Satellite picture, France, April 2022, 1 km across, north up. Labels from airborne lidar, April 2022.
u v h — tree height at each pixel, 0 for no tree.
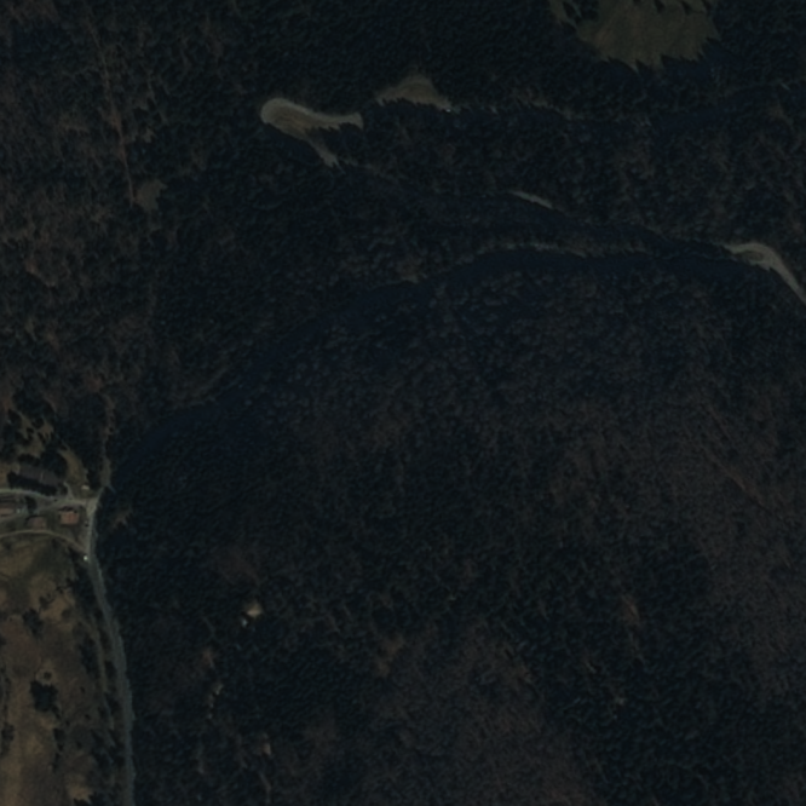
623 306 33
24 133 27
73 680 0
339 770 13
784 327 17
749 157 29
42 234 17
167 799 14
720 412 22
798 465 21
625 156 29
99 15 10
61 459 12
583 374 27
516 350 19
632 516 25
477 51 22
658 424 25
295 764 17
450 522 20
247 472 20
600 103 32
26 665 0
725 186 35
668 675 17
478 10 23
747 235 16
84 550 0
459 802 20
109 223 27
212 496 23
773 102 24
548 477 23
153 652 23
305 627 24
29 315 38
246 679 15
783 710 20
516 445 17
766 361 23
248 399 30
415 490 25
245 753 10
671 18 0
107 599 0
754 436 32
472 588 16
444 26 28
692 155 23
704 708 21
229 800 26
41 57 25
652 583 23
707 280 37
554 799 25
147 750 15
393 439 20
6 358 13
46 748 0
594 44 0
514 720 26
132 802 0
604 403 19
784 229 22
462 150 42
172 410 14
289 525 28
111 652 16
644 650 21
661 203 14
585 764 29
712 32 0
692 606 21
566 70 28
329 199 21
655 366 33
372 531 18
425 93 0
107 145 29
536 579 19
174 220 39
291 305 19
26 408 18
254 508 15
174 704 16
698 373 26
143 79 29
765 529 31
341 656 15
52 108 26
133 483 29
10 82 27
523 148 21
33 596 0
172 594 21
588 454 15
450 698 24
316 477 23
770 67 37
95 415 27
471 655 22
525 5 24
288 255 24
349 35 27
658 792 14
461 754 18
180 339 28
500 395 18
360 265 30
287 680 24
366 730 18
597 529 14
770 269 0
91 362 32
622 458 16
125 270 23
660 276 36
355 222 30
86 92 19
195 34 31
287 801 15
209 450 19
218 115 39
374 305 30
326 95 24
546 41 29
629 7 0
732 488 11
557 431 15
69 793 0
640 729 33
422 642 28
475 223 22
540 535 22
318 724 19
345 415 16
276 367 20
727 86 27
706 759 30
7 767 0
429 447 20
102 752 21
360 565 12
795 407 25
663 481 23
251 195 24
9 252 28
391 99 0
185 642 13
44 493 15
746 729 18
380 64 32
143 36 33
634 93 34
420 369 24
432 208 24
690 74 18
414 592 23
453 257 23
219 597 16
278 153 26
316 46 18
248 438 25
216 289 23
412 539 16
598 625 15
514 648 12
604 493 14
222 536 19
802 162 36
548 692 21
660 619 21
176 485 24
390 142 25
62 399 20
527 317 31
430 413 25
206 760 17
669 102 47
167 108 15
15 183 13
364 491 20
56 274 31
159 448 18
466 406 26
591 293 34
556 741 22
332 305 16
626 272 23
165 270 19
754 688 17
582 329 32
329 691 24
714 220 28
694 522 22
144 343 26
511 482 14
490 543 33
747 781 19
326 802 17
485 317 23
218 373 30
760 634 19
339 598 17
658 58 0
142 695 16
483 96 26
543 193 22
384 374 31
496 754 24
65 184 25
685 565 12
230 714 19
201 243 15
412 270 30
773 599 24
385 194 26
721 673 23
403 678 25
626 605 25
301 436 19
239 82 47
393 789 19
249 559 18
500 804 19
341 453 15
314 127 0
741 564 25
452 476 24
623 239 31
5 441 17
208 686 9
